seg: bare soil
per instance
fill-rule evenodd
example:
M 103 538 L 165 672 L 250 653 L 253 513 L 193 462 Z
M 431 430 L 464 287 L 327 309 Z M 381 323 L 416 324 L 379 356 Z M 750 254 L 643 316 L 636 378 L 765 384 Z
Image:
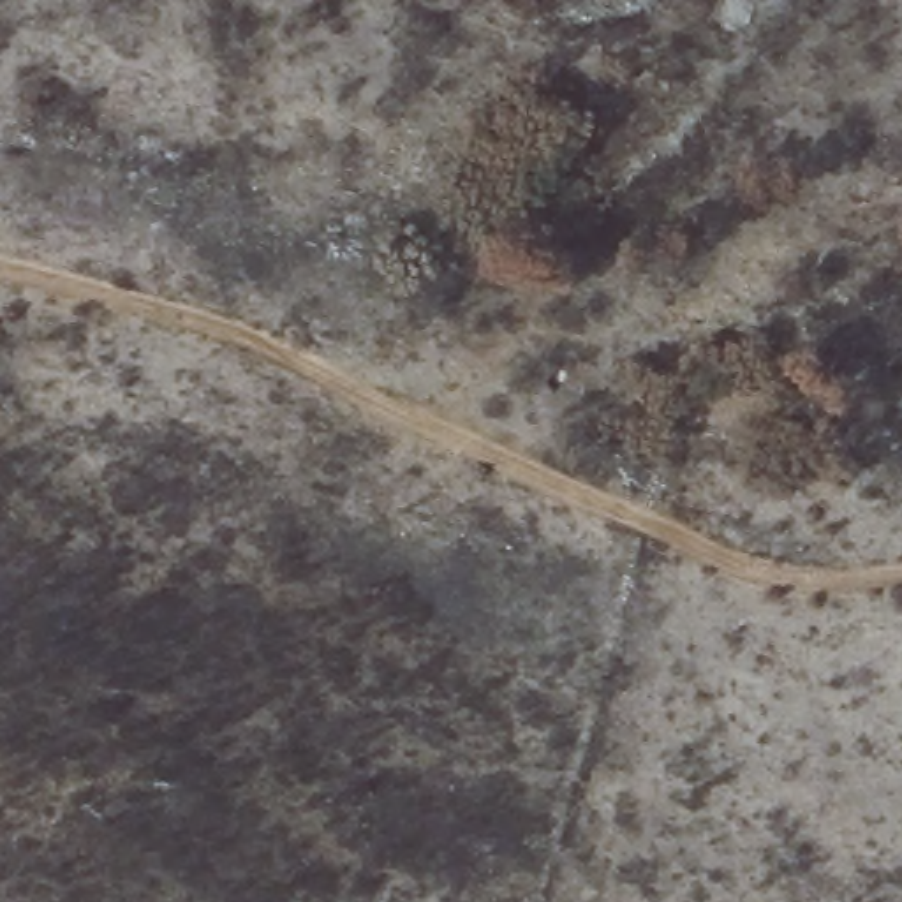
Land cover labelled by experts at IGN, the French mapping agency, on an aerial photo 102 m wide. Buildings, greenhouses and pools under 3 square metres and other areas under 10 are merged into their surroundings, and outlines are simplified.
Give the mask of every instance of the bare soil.
M 747 63 L 761 70 L 761 85 L 740 92 L 736 106 L 758 106 L 765 120 L 772 120 L 775 127 L 796 130 L 803 137 L 824 137 L 832 127 L 846 123 L 860 102 L 867 102 L 874 113 L 877 137 L 863 169 L 842 169 L 800 183 L 800 201 L 793 208 L 772 208 L 768 218 L 743 222 L 733 240 L 719 243 L 719 250 L 705 254 L 698 264 L 666 257 L 648 264 L 645 275 L 638 275 L 631 271 L 634 247 L 624 240 L 613 264 L 603 275 L 588 275 L 585 282 L 500 285 L 476 275 L 472 289 L 462 299 L 462 317 L 433 317 L 423 331 L 416 331 L 409 328 L 405 310 L 391 299 L 412 296 L 419 289 L 419 278 L 433 278 L 437 268 L 426 250 L 391 247 L 395 222 L 405 211 L 430 211 L 444 197 L 444 190 L 455 183 L 462 169 L 462 155 L 469 155 L 472 109 L 483 109 L 486 95 L 500 95 L 507 81 L 521 78 L 521 63 L 536 56 L 543 56 L 543 81 L 550 81 L 557 70 L 581 70 L 592 81 L 613 81 L 617 88 L 634 88 L 641 95 L 641 137 L 648 141 L 648 148 L 624 162 L 620 180 L 627 183 L 638 173 L 652 169 L 659 159 L 677 155 L 694 123 L 715 106 L 722 81 L 729 74 L 740 74 Z M 345 412 L 321 412 L 314 398 L 289 391 L 285 377 L 275 381 L 271 395 L 257 398 L 257 423 L 240 423 L 233 437 L 201 433 L 197 426 L 180 419 L 152 419 L 130 426 L 113 412 L 92 416 L 88 423 L 60 426 L 56 419 L 35 412 L 32 402 L 21 395 L 14 381 L 14 349 L 60 342 L 67 349 L 85 349 L 88 328 L 109 324 L 109 307 L 99 299 L 85 299 L 74 307 L 74 321 L 63 324 L 60 317 L 39 314 L 25 303 L 21 282 L 0 278 L 0 902 L 902 902 L 902 0 L 0 0 L 0 254 L 60 264 L 130 292 L 155 292 L 180 303 L 208 303 L 222 317 L 254 324 L 278 338 L 292 338 L 296 345 L 321 352 L 328 359 L 363 356 L 377 366 L 388 363 L 395 370 L 405 370 L 409 363 L 419 363 L 423 342 L 433 342 L 440 352 L 465 349 L 476 352 L 486 363 L 486 370 L 507 384 L 500 395 L 486 398 L 486 416 L 504 419 L 518 395 L 536 395 L 539 388 L 550 391 L 550 405 L 557 416 L 585 391 L 599 391 L 620 356 L 634 356 L 662 342 L 680 342 L 684 335 L 712 335 L 719 328 L 754 324 L 761 324 L 768 338 L 765 363 L 782 359 L 786 352 L 810 349 L 817 352 L 821 381 L 842 391 L 846 412 L 832 419 L 842 451 L 828 455 L 817 483 L 807 483 L 793 497 L 775 500 L 754 493 L 740 476 L 733 476 L 719 462 L 666 465 L 652 469 L 648 479 L 620 469 L 603 490 L 652 504 L 655 511 L 673 514 L 705 539 L 719 543 L 722 550 L 736 550 L 733 567 L 726 574 L 715 571 L 715 564 L 705 564 L 698 571 L 684 564 L 684 553 L 666 546 L 662 539 L 652 539 L 641 529 L 620 521 L 606 521 L 606 532 L 613 539 L 595 557 L 585 557 L 571 546 L 546 543 L 536 514 L 511 521 L 500 507 L 455 500 L 451 493 L 440 493 L 440 483 L 433 483 L 423 497 L 409 500 L 405 507 L 391 507 L 395 490 L 405 490 L 412 479 L 419 479 L 423 465 L 391 469 L 388 433 L 359 426 Z

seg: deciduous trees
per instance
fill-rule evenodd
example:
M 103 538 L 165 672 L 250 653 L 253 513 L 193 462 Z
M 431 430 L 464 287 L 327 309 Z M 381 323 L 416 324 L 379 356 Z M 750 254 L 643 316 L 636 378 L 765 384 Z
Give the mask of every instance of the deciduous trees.
M 832 419 L 846 412 L 842 391 L 821 381 L 817 352 L 810 349 L 786 352 L 782 359 L 765 363 L 768 338 L 761 324 L 754 324 L 719 328 L 712 335 L 684 335 L 680 342 L 662 342 L 634 356 L 620 356 L 599 391 L 585 391 L 557 416 L 553 437 L 543 447 L 539 462 L 553 472 L 585 479 L 603 490 L 620 469 L 648 479 L 652 469 L 666 465 L 719 462 L 733 476 L 740 476 L 754 493 L 775 500 L 793 497 L 807 483 L 817 483 L 828 455 L 842 451 Z
M 557 70 L 550 81 L 543 81 L 543 56 L 536 56 L 521 63 L 521 78 L 507 81 L 500 95 L 486 95 L 483 109 L 472 109 L 469 155 L 462 155 L 462 169 L 455 183 L 444 190 L 444 197 L 430 211 L 405 211 L 395 222 L 391 247 L 426 250 L 437 268 L 433 278 L 419 278 L 419 289 L 412 296 L 391 299 L 405 310 L 409 328 L 416 331 L 423 331 L 433 317 L 462 317 L 462 299 L 472 289 L 476 275 L 500 285 L 585 282 L 588 275 L 603 275 L 613 264 L 624 240 L 634 247 L 631 271 L 638 275 L 645 275 L 648 264 L 666 257 L 698 264 L 705 254 L 719 250 L 719 243 L 733 240 L 743 222 L 768 218 L 772 208 L 793 208 L 800 201 L 800 183 L 842 169 L 863 169 L 877 137 L 874 113 L 867 102 L 860 102 L 846 123 L 832 127 L 824 137 L 803 137 L 796 130 L 775 127 L 772 120 L 765 120 L 758 106 L 736 106 L 740 92 L 761 85 L 761 70 L 747 63 L 740 74 L 729 74 L 722 81 L 715 106 L 694 123 L 677 155 L 659 159 L 652 169 L 638 173 L 627 183 L 620 180 L 624 162 L 648 148 L 648 141 L 641 137 L 641 95 L 634 88 L 617 88 L 613 81 L 592 81 L 581 70 Z

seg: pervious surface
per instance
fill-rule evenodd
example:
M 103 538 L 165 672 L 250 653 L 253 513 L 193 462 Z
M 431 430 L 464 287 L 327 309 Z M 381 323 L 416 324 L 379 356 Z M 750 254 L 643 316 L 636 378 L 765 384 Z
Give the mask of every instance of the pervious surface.
M 314 398 L 321 412 L 345 412 L 359 426 L 388 433 L 391 469 L 423 465 L 419 479 L 412 479 L 405 490 L 395 490 L 391 507 L 405 507 L 409 500 L 423 497 L 433 483 L 440 483 L 440 493 L 451 493 L 455 500 L 500 507 L 511 521 L 536 514 L 546 543 L 571 546 L 585 557 L 595 557 L 613 539 L 606 532 L 606 521 L 620 521 L 641 529 L 652 539 L 662 539 L 666 546 L 684 553 L 684 564 L 698 571 L 705 564 L 715 564 L 715 571 L 726 574 L 733 567 L 736 550 L 722 550 L 719 543 L 705 539 L 673 514 L 655 511 L 652 504 L 603 490 L 585 479 L 553 472 L 539 462 L 543 447 L 553 437 L 557 416 L 550 405 L 550 391 L 539 388 L 536 395 L 518 395 L 504 419 L 486 416 L 486 398 L 500 395 L 507 384 L 486 370 L 486 363 L 476 352 L 465 349 L 440 352 L 433 342 L 423 342 L 419 363 L 409 363 L 405 370 L 395 370 L 388 363 L 377 366 L 363 356 L 328 359 L 321 352 L 296 345 L 292 338 L 278 338 L 254 324 L 222 317 L 208 303 L 180 303 L 155 292 L 130 292 L 60 264 L 0 254 L 0 278 L 21 282 L 25 303 L 39 314 L 60 317 L 63 324 L 74 321 L 74 307 L 85 299 L 99 299 L 109 307 L 109 324 L 88 328 L 85 349 L 67 349 L 60 342 L 14 349 L 14 381 L 21 395 L 32 402 L 35 412 L 56 419 L 60 426 L 88 423 L 92 416 L 113 412 L 130 426 L 152 419 L 180 419 L 197 426 L 201 433 L 233 437 L 240 423 L 257 423 L 257 398 L 271 395 L 275 381 L 285 377 L 289 391 Z

